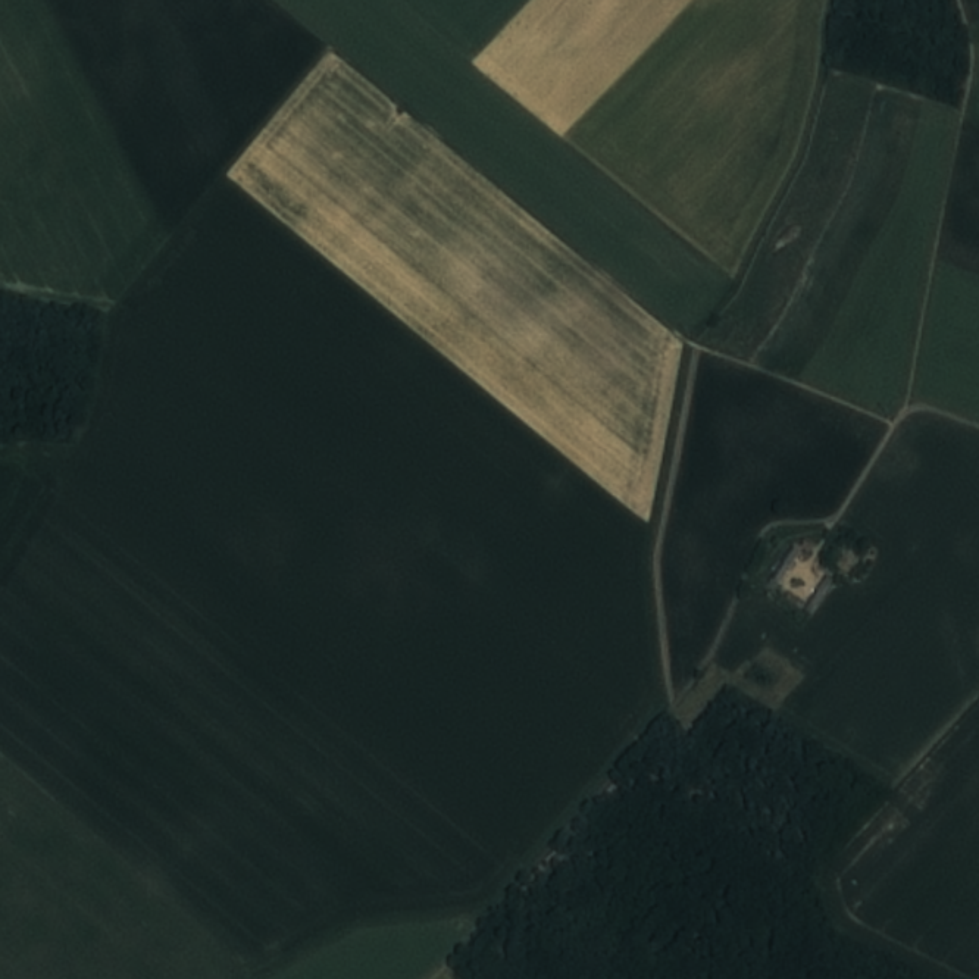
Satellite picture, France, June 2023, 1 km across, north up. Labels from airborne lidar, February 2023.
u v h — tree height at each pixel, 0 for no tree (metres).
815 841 16
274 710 0
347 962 0
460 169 0
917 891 0
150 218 0
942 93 10
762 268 0
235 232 0
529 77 0
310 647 0
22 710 0
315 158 0
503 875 0
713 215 0
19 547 0
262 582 0
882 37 16
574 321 0
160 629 0
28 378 21
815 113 0
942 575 0
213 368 0
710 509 0
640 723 0
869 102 0
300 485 0
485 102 0
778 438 0
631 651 0
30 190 0
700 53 0
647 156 0
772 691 0
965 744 0
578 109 0
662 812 23
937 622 0
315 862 0
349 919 0
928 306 0
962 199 0
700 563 0
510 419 0
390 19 0
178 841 0
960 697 0
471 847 0
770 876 21
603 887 21
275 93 0
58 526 0
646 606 0
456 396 0
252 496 0
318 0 0
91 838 0
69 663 0
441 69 0
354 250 0
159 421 0
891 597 0
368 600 0
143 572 0
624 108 0
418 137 0
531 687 0
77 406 18
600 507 0
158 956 0
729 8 0
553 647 0
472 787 0
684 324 0
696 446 0
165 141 0
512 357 0
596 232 0
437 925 0
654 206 0
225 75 0
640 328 0
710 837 22
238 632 0
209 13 0
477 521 0
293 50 0
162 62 0
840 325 0
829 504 0
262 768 0
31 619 0
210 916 0
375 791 0
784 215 0
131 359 0
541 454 0
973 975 0
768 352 0
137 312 0
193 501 0
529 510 0
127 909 0
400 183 0
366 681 0
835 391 0
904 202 0
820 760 17
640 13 0
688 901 22
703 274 0
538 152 0
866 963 15
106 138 0
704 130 0
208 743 0
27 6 0
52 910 0
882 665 0
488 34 0
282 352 0
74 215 0
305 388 0
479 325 0
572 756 0
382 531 0
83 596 0
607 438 0
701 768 27
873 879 0
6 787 0
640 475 0
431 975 0
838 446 0
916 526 0
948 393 0
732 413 0
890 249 0
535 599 0
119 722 0
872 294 0
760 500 0
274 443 0
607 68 0
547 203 0
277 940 0
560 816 0
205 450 0
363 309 0
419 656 0
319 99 0
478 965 18
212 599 0
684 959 23
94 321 10
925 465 0
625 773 17
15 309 19
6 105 0
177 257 0
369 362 0
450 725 0
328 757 0
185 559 0
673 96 0
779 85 0
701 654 0
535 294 0
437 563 0
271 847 0
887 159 0
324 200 0
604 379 0
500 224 0
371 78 0
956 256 0
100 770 0
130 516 0
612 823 25
